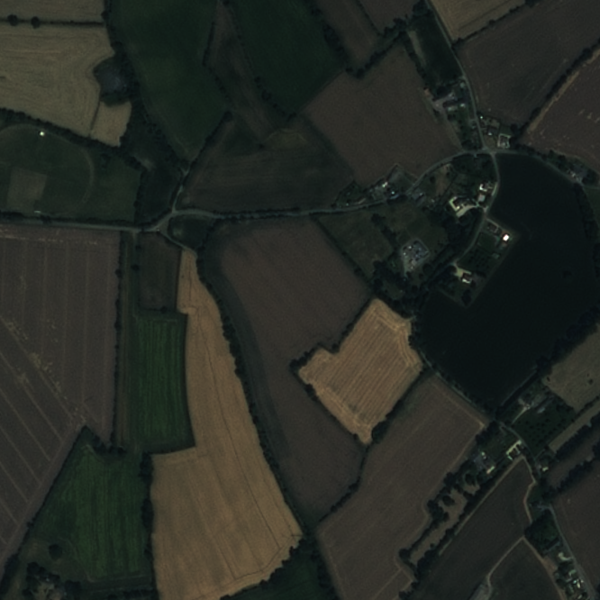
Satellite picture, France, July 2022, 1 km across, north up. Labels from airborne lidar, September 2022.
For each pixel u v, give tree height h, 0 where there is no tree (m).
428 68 0
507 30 0
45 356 0
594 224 24
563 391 0
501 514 0
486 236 0
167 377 0
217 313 0
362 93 0
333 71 0
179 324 0
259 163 0
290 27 0
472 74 0
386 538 0
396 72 0
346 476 0
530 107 0
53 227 0
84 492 0
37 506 0
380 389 0
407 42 17
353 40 0
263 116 0
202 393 0
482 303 0
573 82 0
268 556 0
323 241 0
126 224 6
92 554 0
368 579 0
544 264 0
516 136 8
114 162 0
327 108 0
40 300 0
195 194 0
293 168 0
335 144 0
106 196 0
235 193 0
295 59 0
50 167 0
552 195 0
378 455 0
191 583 0
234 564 0
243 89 0
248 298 0
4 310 0
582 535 0
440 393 0
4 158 0
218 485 0
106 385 0
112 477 0
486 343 0
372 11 0
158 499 0
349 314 0
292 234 0
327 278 0
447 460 0
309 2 17
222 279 0
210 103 0
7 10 0
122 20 0
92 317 0
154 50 0
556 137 0
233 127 0
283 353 0
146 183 10
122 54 7
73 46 0
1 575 0
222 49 0
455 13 0
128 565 0
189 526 0
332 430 0
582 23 0
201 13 0
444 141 0
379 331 0
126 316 0
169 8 0
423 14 13
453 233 26
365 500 0
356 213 0
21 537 0
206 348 0
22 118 13
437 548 8
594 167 0
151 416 0
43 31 0
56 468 0
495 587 0
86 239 0
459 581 0
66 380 0
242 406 0
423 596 0
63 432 0
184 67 0
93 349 0
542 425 6
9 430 0
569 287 0
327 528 0
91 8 0
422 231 0
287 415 0
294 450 0
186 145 0
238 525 0
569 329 0
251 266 0
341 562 0
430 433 0
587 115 0
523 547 0
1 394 0
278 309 0
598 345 0
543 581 0
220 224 12
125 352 0
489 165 9
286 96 0
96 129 0
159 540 0
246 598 0
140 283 0
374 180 0
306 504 0
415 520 0
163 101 0
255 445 0
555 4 0
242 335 0
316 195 0
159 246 0
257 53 0
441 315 0
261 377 0
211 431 0
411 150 0
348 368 0
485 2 0
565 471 0
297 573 0
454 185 0
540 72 0
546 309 0
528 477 0
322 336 0
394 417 9
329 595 8
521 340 0
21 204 0
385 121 0
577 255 0
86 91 0
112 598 12
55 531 0
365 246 0
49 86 0
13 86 0
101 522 0
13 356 0
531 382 14
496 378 0
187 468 0
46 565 0
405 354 0
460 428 0
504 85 0
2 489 0
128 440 0
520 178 0
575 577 0
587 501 0
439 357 0
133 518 0
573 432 0
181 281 0
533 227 0
